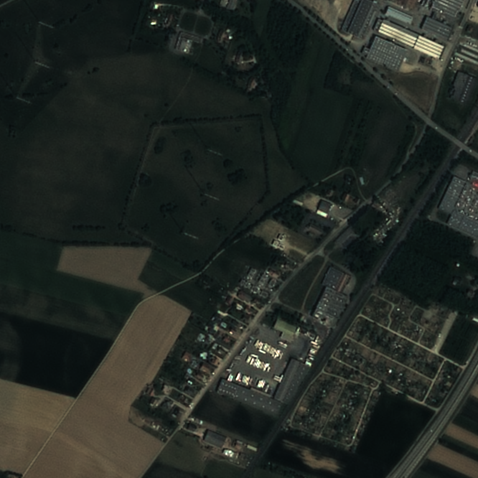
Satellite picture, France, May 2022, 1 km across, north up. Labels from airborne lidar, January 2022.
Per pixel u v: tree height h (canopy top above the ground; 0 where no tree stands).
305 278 0
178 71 0
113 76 0
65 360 0
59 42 0
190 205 0
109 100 0
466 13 0
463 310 14
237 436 0
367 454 0
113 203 0
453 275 0
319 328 0
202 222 0
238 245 0
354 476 0
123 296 0
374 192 0
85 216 0
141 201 0
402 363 0
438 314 0
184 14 0
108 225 0
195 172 0
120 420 0
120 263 0
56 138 0
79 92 0
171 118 0
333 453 0
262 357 0
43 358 0
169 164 0
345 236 0
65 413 0
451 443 0
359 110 0
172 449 0
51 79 0
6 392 0
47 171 0
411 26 0
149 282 0
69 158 0
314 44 0
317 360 0
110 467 0
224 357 0
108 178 0
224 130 0
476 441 0
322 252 0
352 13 0
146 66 0
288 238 0
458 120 0
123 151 0
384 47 0
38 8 0
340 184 0
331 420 0
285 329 0
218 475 0
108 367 0
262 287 0
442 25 0
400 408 0
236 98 0
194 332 0
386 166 0
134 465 0
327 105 0
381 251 0
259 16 0
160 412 0
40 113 0
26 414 0
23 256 0
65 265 0
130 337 0
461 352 0
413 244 0
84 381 0
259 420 0
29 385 0
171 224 0
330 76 7
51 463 0
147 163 0
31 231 0
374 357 0
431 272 16
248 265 0
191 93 0
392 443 0
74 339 0
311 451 0
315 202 0
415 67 0
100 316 0
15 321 0
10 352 0
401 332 0
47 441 0
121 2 0
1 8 0
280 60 6
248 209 0
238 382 0
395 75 0
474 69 0
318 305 0
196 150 0
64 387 0
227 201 0
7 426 0
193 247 0
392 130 0
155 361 0
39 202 0
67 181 0
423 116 0
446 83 0
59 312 0
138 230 0
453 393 0
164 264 0
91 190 0
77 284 0
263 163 0
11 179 0
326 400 0
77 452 0
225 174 0
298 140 0
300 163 0
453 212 0
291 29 7
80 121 0
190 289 0
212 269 0
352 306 0
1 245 0
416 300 0
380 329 0
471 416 0
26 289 0
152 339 0
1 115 0
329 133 0
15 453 0
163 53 0
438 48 0
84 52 0
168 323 0
